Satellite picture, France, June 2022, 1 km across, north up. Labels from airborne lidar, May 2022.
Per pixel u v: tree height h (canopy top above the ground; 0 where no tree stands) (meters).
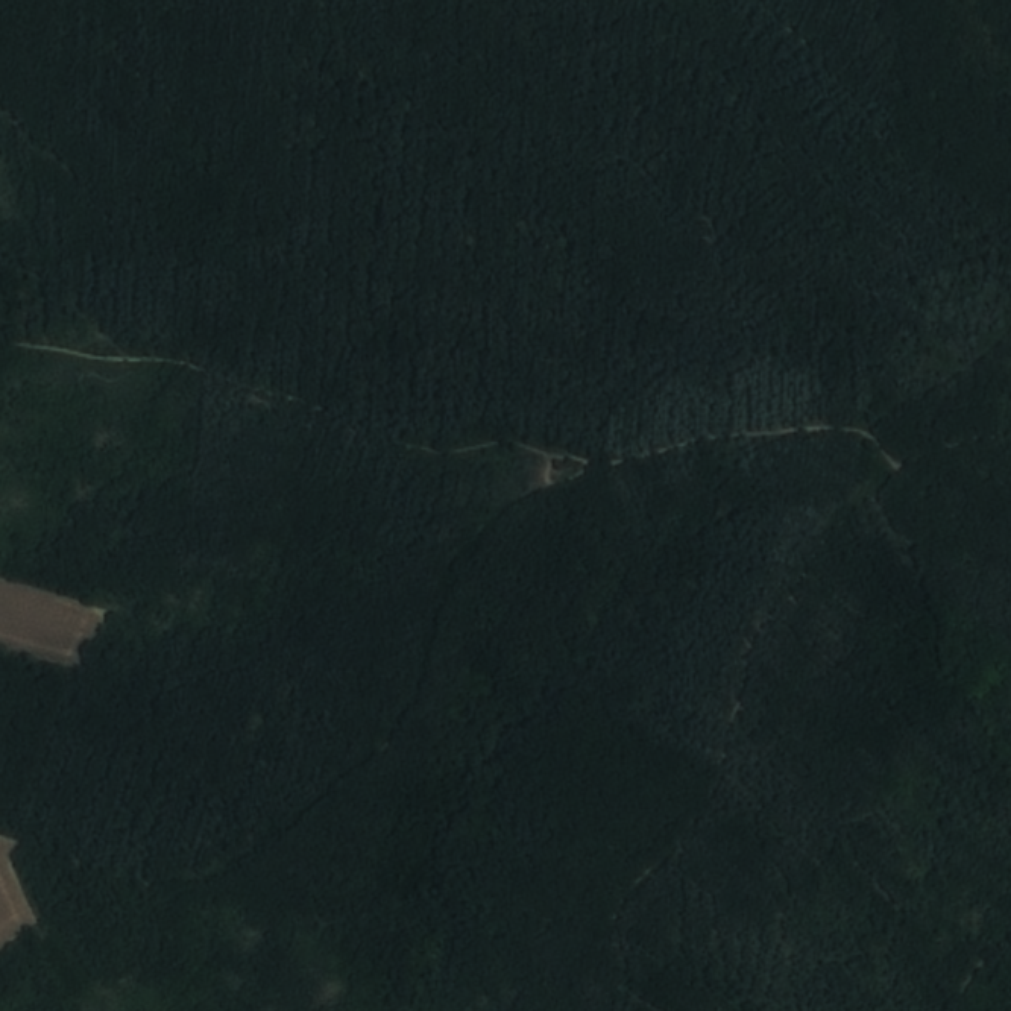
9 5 22
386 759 11
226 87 21
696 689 19
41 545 13
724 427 16
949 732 26
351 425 17
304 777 15
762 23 15
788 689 18
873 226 13
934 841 24
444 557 18
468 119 21
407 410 7
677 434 17
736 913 14
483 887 27
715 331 17
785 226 23
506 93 17
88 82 23
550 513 10
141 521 22
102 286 24
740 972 16
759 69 22
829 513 17
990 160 15
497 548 13
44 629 0
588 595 17
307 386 19
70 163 15
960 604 15
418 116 26
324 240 20
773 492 22
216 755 20
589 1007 13
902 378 16
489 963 19
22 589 0
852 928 14
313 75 24
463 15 23
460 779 7
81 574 18
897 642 20
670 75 24
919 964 17
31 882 11
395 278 19
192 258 12
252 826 20
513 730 24
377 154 20
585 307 23
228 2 23
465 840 27
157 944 14
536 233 21
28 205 8
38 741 23
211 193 22
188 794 20
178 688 18
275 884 13
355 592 8
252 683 29
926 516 17
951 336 8
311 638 21
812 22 21
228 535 12
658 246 15
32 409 10
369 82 20
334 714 17
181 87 21
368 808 20
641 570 18
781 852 11
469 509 9
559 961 8
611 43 26
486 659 18
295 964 11
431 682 14
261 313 19
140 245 21
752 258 17
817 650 15
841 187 24
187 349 15
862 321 19
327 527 18
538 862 22
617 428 21
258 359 24
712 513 13
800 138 21
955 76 17
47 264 17
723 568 27
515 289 22
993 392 13
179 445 11
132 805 21
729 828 17
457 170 24
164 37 25
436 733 15
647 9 24
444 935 11
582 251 22
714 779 15
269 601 13
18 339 13
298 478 15
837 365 15
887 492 13
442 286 19
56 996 10
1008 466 16
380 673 12
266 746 20
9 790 20
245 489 13
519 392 21
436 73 17
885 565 18
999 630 18
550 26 23
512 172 18
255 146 18
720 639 20
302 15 24
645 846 14
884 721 20
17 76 18
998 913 18
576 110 20
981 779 19
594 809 16
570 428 22
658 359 21
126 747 21
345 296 23
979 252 15
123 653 17
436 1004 16
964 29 18
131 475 17
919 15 25
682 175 20
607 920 16
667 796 13
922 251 21
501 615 10
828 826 12
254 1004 8
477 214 21
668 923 17
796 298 21
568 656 11
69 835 22
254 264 24
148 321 25
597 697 18
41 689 23
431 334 18
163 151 21
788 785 14
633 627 20
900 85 21
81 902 16
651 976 16
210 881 10
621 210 17
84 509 14
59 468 10
